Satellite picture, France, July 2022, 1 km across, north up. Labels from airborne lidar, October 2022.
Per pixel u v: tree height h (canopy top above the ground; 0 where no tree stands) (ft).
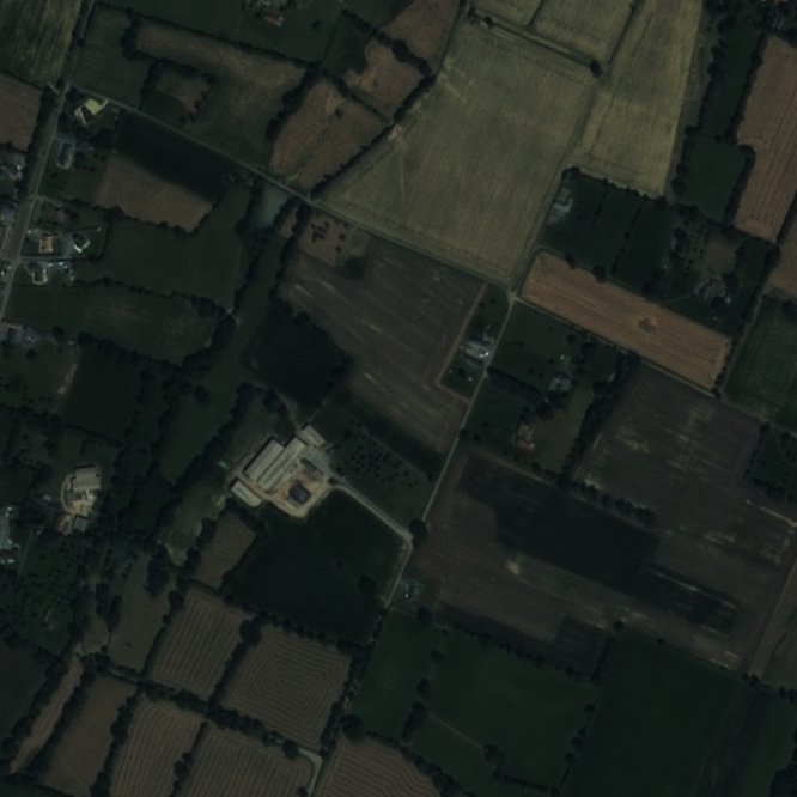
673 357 0
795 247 0
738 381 0
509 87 0
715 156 0
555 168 0
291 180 0
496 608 0
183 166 0
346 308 0
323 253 0
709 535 0
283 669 0
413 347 0
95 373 0
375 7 0
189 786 0
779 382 0
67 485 0
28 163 40
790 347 0
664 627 0
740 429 0
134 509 56
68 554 22
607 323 0
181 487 51
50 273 0
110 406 0
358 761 0
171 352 0
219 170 0
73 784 0
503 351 0
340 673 0
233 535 0
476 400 0
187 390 58
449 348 0
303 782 0
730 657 0
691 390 0
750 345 0
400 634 0
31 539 0
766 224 0
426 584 0
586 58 0
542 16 0
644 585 0
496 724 0
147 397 40
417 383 0
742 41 0
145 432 0
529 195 0
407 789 0
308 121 0
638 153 0
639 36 0
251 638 68
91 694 0
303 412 0
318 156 0
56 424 59
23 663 0
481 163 0
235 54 0
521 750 0
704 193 0
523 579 0
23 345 0
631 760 0
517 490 0
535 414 20
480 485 0
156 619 0
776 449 0
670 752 0
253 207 44
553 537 0
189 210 0
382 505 0
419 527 55
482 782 0
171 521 47
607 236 0
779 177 0
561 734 0
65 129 47
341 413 0
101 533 28
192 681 0
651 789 0
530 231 0
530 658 35
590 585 0
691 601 0
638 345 0
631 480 0
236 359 0
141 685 44
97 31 0
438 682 0
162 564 70
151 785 0
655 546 0
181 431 0
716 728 0
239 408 43
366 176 0
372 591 64
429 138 0
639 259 0
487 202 0
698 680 0
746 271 0
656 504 0
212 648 0
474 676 0
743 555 0
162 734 0
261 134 0
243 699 0
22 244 0
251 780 0
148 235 0
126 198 0
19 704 0
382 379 0
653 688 0
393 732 0
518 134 0
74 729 0
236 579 48
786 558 0
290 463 0
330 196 0
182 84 0
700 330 0
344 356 30
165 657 0
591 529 0
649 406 0
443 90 0
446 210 0
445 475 0
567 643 0
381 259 0
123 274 0
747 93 23
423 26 0
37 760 34
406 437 0
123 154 0
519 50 0
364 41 0
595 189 0
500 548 0
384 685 0
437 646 0
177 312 0
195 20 0
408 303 0
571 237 0
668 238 0
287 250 45
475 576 0
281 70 0
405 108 21
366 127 0
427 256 0
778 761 0
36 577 29
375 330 0
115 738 45
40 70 0
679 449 0
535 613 0
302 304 0
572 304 0
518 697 0
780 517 0
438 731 0
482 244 0
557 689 0
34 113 0
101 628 0
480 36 0
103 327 0
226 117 0
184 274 0
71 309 0
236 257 0
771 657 0
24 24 0
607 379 0
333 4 0
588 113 0
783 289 0
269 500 0
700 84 0
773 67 0
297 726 0
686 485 0
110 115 0
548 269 0
